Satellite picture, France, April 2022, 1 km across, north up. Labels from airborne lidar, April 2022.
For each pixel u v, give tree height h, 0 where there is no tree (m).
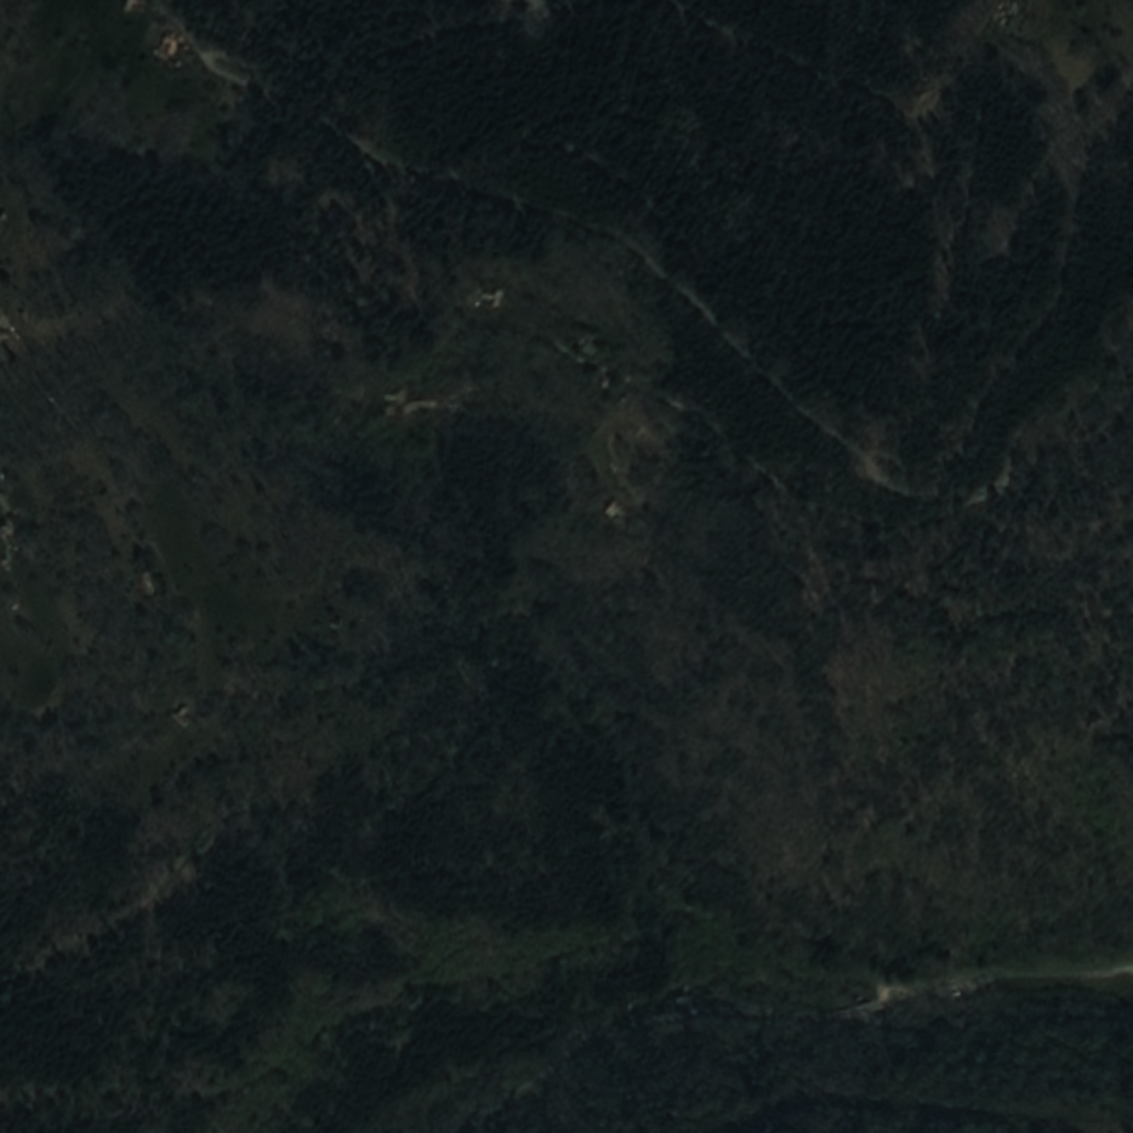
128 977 16
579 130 22
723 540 21
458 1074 19
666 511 24
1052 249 14
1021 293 12
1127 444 32
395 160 12
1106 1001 10
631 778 23
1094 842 20
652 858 27
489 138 23
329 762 11
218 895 26
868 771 18
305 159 29
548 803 21
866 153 15
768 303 24
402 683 16
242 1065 21
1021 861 25
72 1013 17
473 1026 28
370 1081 26
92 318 0
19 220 0
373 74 31
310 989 16
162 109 0
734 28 14
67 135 19
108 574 17
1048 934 23
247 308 22
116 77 24
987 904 21
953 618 10
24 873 21
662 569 25
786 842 9
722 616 13
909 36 20
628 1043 10
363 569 14
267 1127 16
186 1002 18
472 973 12
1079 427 30
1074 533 22
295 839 28
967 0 23
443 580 24
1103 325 26
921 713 20
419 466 27
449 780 22
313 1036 15
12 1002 21
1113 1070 23
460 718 26
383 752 22
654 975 26
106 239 30
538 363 18
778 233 21
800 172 18
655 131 20
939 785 24
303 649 12
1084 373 23
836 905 21
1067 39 0
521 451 29
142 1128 24
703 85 20
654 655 18
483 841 23
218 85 9
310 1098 24
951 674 5
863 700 16
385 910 18
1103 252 24
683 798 17
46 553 6
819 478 17
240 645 11
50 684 0
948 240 15
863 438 14
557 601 20
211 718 18
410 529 31
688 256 18
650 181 22
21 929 19
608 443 0
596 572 22
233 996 13
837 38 22
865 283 25
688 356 19
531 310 23
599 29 18
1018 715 25
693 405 16
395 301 24
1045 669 26
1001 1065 20
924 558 21
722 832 19
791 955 24
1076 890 24
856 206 22
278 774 15
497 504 22
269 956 22
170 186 33
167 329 29
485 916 16
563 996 24
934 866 18
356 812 22
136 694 18
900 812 19
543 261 15
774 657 15
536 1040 20
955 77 18
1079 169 20
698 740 17
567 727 21
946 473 17
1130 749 22
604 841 20
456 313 30
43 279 26
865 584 22
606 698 26
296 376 29
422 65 25
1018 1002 15
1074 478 34
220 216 33
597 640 26
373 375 20
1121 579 29
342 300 28
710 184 15
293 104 27
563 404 21
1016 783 23
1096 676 25
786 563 19
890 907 26
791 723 13
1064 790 21
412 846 25
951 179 18
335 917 25
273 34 25
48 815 20
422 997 20
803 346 16
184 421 13
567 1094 23
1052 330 24
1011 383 24
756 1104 21
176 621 9
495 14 20
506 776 24
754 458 13
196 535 0
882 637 16
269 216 32
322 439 27
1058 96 21
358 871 22
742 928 16
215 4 32
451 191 16
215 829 13
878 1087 22
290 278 17
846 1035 24
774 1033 24
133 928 21
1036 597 20
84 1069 17
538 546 31
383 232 9
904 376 22
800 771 16
